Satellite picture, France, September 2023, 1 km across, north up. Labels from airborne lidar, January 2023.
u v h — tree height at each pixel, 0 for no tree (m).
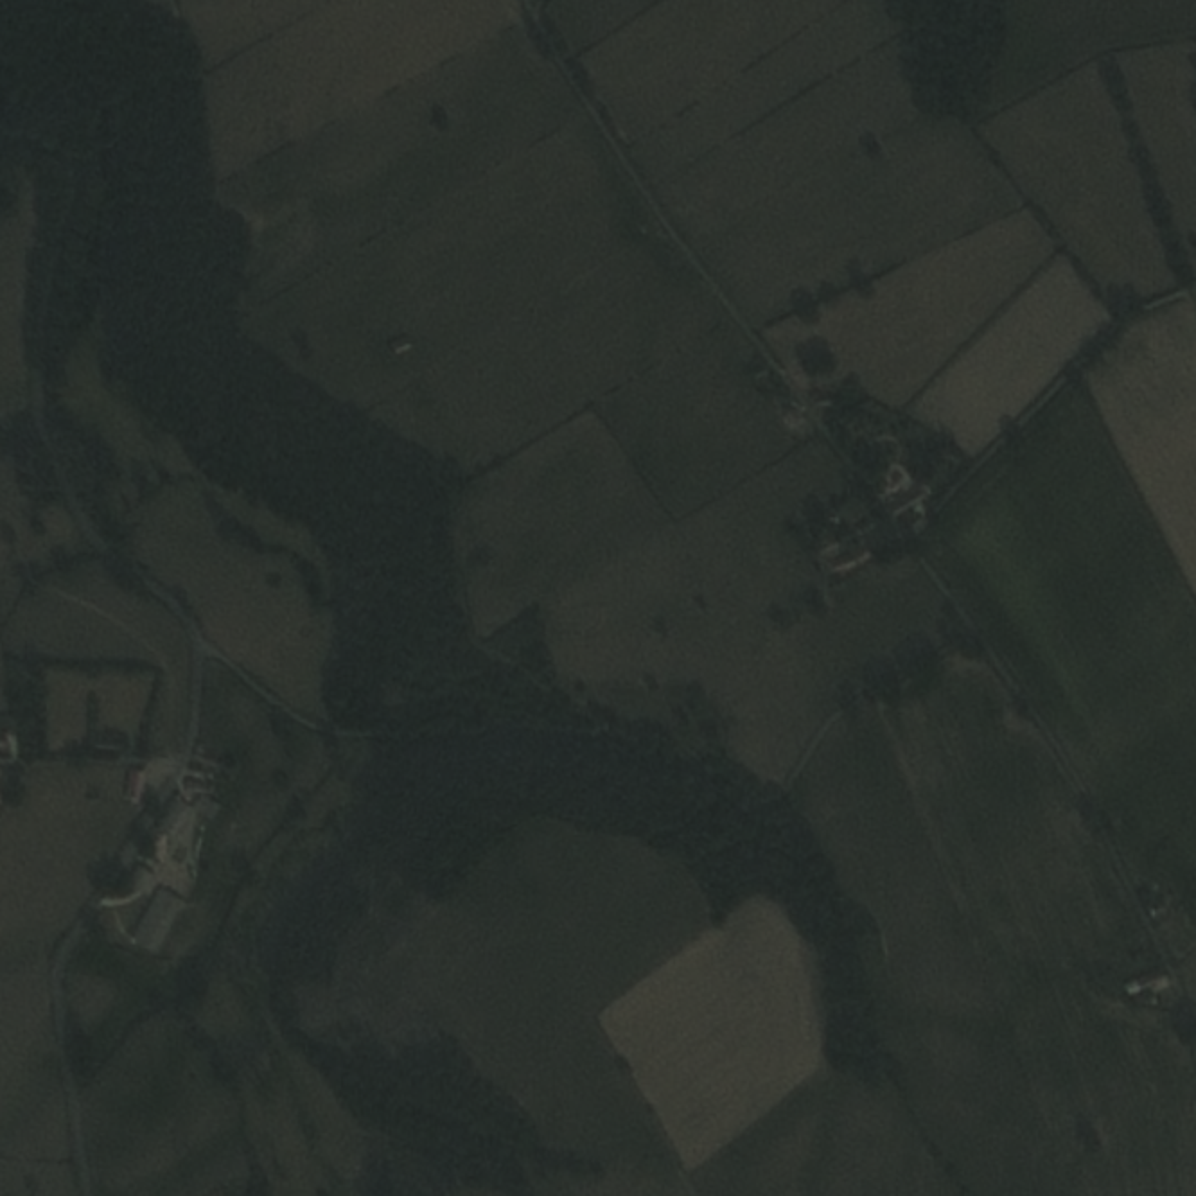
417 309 0
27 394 0
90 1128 0
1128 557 0
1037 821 0
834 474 0
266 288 0
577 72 13
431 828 22
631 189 0
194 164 18
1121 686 0
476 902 0
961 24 14
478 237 0
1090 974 15
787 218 0
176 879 0
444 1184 18
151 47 16
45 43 23
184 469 0
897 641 0
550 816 11
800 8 0
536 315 0
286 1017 21
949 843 0
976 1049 0
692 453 0
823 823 0
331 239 0
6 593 0
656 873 0
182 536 0
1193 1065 0
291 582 0
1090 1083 0
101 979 0
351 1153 0
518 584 0
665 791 27
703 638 0
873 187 0
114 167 26
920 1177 0
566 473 0
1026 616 0
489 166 0
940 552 0
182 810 0
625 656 0
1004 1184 0
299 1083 0
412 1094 19
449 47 0
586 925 0
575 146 0
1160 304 0
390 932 0
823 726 0
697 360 0
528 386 0
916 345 0
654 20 0
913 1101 0
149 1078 0
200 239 16
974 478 0
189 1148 0
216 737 0
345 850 18
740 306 0
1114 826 13
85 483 14
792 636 0
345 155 0
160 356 21
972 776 0
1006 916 0
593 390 0
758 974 0
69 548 0
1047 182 0
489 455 0
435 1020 0
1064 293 0
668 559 0
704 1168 0
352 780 36
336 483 21
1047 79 0
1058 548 0
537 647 14
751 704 0
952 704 0
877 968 0
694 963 0
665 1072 0
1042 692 0
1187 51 0
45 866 0
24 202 0
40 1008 0
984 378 0
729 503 0
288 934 24
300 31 0
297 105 0
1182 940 0
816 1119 0
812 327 0
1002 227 0
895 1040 0
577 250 0
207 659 0
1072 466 0
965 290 0
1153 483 0
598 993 0
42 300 20
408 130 0
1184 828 0
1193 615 0
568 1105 0
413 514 20
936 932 0
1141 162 18
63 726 0
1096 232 0
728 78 0
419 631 14
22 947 0
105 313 0
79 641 0
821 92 0
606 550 0
